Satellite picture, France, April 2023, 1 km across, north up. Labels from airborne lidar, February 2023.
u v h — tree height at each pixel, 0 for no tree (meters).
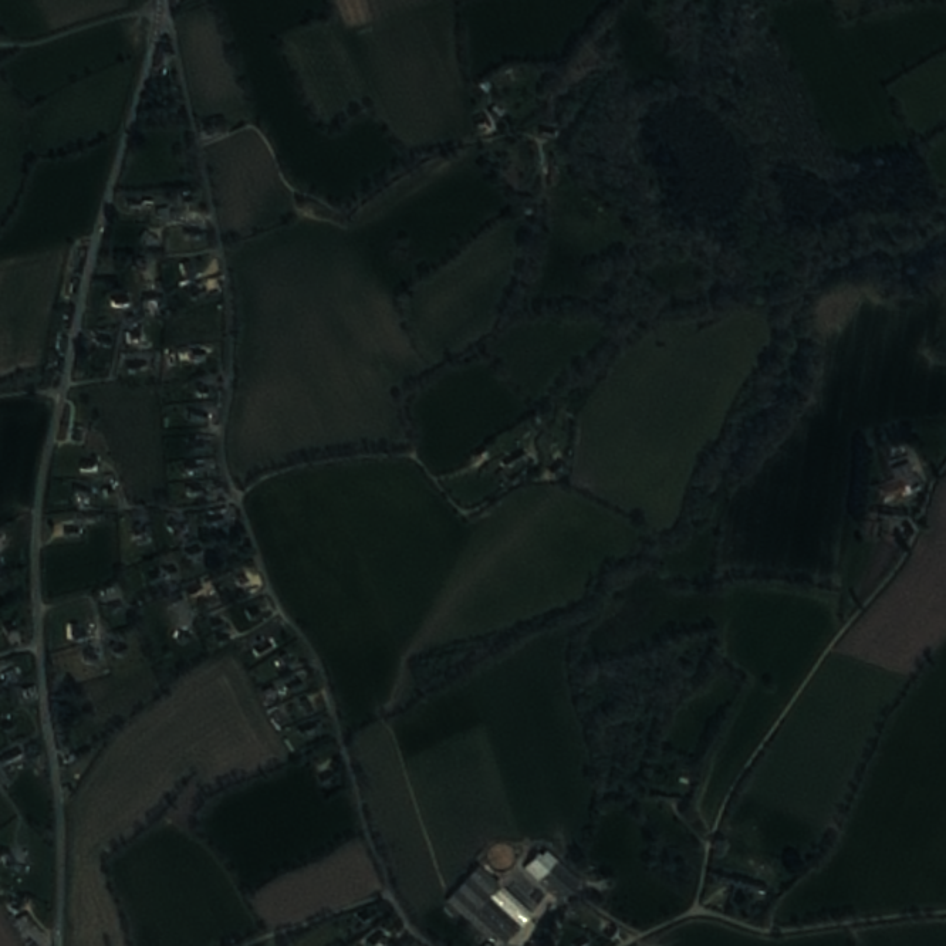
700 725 0
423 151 11
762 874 0
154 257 9
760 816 0
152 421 0
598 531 0
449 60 0
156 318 10
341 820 0
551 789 0
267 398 0
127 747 0
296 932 9
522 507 0
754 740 0
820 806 0
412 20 0
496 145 0
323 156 0
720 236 23
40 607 0
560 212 0
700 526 11
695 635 13
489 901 0
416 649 0
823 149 13
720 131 12
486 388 0
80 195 0
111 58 0
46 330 0
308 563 0
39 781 0
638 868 0
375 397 0
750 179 21
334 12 15
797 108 13
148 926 0
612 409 0
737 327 0
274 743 0
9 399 0
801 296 11
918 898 0
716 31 28
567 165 23
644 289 17
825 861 12
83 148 11
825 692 0
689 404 0
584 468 0
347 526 0
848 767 0
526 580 0
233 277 7
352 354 0
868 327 0
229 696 0
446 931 0
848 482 0
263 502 0
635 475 0
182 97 8
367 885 0
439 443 0
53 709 0
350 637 0
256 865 0
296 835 0
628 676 13
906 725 0
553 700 0
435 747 0
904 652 0
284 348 0
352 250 0
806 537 0
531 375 0
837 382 0
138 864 0
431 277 15
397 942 12
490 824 0
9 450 0
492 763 0
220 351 0
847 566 0
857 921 10
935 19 0
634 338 10
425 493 0
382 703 0
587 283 0
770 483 0
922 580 0
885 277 27
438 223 0
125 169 9
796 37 0
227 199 0
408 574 0
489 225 8
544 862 0
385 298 0
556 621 12
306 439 0
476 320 0
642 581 0
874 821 0
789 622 0
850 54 0
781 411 24
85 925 0
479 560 0
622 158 22
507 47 0
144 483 0
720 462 22
